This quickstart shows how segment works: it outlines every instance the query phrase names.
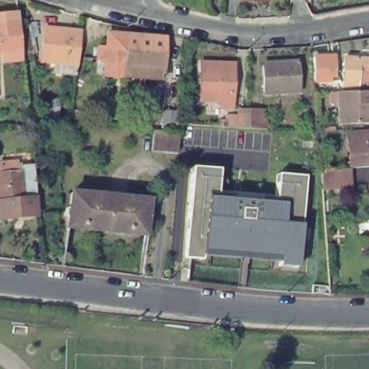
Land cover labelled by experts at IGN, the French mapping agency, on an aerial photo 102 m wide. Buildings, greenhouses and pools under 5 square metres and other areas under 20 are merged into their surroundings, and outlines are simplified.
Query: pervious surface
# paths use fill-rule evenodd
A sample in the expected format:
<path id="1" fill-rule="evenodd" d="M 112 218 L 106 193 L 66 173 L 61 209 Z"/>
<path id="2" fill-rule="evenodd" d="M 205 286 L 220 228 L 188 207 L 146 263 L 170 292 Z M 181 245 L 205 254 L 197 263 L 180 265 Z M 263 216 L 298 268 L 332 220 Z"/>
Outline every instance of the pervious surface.
<path id="1" fill-rule="evenodd" d="M 249 329 L 314 332 L 369 330 L 369 327 L 255 323 L 231 319 L 229 316 L 219 319 L 184 313 L 163 313 L 161 317 L 208 321 L 215 323 L 216 327 L 223 329 L 232 324 Z"/>
<path id="2" fill-rule="evenodd" d="M 35 300 L 36 294 L 0 291 L 0 300 L 37 306 L 66 307 L 74 311 L 78 310 L 78 307 L 86 307 L 89 310 L 111 313 L 157 316 L 153 311 L 144 311 L 140 308 L 107 306 L 89 301 L 78 301 L 75 306 L 72 303 L 55 303 L 52 301 L 53 297 Z"/>
<path id="3" fill-rule="evenodd" d="M 234 62 L 238 71 L 235 107 L 244 108 L 248 91 L 244 84 L 245 75 L 249 74 L 249 55 L 248 50 L 238 50 Z"/>
<path id="4" fill-rule="evenodd" d="M 164 169 L 157 161 L 135 156 L 134 159 L 125 160 L 115 170 L 103 190 L 147 195 L 150 190 L 147 189 L 147 182 L 157 174 Z"/>
<path id="5" fill-rule="evenodd" d="M 258 4 L 246 3 L 246 1 L 245 3 L 241 3 L 238 14 L 241 17 L 236 17 L 238 25 L 284 25 L 290 22 L 290 14 L 293 12 L 291 0 L 270 0 L 259 1 Z"/>
<path id="6" fill-rule="evenodd" d="M 369 7 L 316 14 L 313 20 L 326 20 L 369 12 Z"/>

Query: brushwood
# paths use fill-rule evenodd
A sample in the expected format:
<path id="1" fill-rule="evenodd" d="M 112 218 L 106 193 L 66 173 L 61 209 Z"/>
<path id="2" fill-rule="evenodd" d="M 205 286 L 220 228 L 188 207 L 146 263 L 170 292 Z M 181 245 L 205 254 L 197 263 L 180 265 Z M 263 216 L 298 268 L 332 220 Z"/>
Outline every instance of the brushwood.
<path id="1" fill-rule="evenodd" d="M 248 91 L 255 88 L 257 78 L 255 53 L 249 55 L 249 74 L 245 75 L 244 84 Z"/>
<path id="2" fill-rule="evenodd" d="M 327 99 L 327 95 L 332 92 L 333 86 L 327 86 L 319 85 L 316 86 L 316 97 L 311 99 L 314 114 L 321 111 L 321 99 Z"/>
<path id="3" fill-rule="evenodd" d="M 234 62 L 238 50 L 202 42 L 197 50 L 197 61 Z"/>
<path id="4" fill-rule="evenodd" d="M 330 252 L 330 281 L 330 285 L 333 294 L 340 294 L 343 291 L 342 284 L 340 248 L 336 234 L 329 231 L 327 239 L 327 241 Z"/>
<path id="5" fill-rule="evenodd" d="M 65 321 L 72 319 L 74 311 L 66 307 L 37 306 L 0 300 L 0 310 L 59 317 Z"/>

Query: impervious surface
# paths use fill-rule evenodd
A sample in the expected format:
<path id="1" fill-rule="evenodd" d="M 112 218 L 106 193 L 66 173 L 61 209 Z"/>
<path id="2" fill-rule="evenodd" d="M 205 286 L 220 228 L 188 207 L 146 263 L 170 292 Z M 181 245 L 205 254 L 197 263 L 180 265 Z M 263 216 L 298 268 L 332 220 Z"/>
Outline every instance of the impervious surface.
<path id="1" fill-rule="evenodd" d="M 169 36 L 169 76 L 166 81 L 146 79 L 141 88 L 146 89 L 157 99 L 163 112 L 176 111 L 177 89 L 173 82 L 177 81 L 180 74 L 179 46 L 183 43 L 183 36 L 202 42 L 238 50 L 248 50 L 249 55 L 255 53 L 261 52 L 261 49 L 274 48 L 308 48 L 314 53 L 337 55 L 339 81 L 330 81 L 327 86 L 333 86 L 332 92 L 353 91 L 352 86 L 347 85 L 343 79 L 343 55 L 349 53 L 366 56 L 369 59 L 369 12 L 326 20 L 313 20 L 316 14 L 308 7 L 310 0 L 291 0 L 293 12 L 290 14 L 290 22 L 284 25 L 238 25 L 236 17 L 241 17 L 238 14 L 241 3 L 239 3 L 238 0 L 203 0 L 207 13 L 203 13 L 197 10 L 189 12 L 186 7 L 174 9 L 173 4 L 163 0 L 19 0 L 19 3 L 25 4 L 30 10 L 32 17 L 32 22 L 42 27 L 49 25 L 81 29 L 84 26 L 82 13 L 89 13 L 88 19 L 110 23 L 112 30 L 160 33 Z"/>
<path id="2" fill-rule="evenodd" d="M 140 308 L 144 311 L 153 311 L 157 316 L 161 317 L 163 313 L 184 313 L 219 319 L 229 316 L 231 319 L 255 323 L 369 327 L 369 294 L 340 294 L 333 294 L 330 285 L 311 284 L 310 291 L 304 290 L 304 285 L 298 285 L 295 290 L 246 287 L 249 261 L 248 257 L 239 259 L 239 285 L 190 280 L 192 261 L 183 257 L 187 184 L 183 180 L 174 179 L 167 169 L 164 169 L 157 174 L 172 189 L 166 199 L 159 199 L 154 203 L 154 218 L 151 225 L 153 229 L 150 235 L 144 236 L 143 239 L 140 272 L 121 271 L 95 270 L 85 268 L 84 265 L 74 267 L 66 265 L 66 262 L 45 264 L 32 261 L 26 264 L 20 258 L 0 257 L 0 291 L 36 294 L 35 300 L 53 297 L 52 301 L 55 303 L 72 303 L 75 306 L 78 301 L 89 301 L 107 306 Z"/>
<path id="3" fill-rule="evenodd" d="M 231 170 L 234 176 L 231 192 L 242 192 L 242 170 L 268 170 L 271 137 L 268 134 L 249 134 L 242 131 L 226 133 L 193 130 L 190 124 L 186 137 L 182 138 L 179 141 L 179 156 L 176 156 L 176 159 L 190 170 L 195 164 L 223 166 L 225 170 Z"/>
<path id="4" fill-rule="evenodd" d="M 16 353 L 0 343 L 0 369 L 30 369 Z"/>

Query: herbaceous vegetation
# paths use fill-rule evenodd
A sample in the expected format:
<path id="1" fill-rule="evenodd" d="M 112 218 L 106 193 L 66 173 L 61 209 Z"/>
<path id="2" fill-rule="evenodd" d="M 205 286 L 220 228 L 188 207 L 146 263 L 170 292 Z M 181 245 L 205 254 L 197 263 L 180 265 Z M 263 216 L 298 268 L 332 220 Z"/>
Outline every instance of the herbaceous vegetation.
<path id="1" fill-rule="evenodd" d="M 193 107 L 195 121 L 192 124 L 219 123 L 216 115 L 206 114 L 205 107 L 200 102 Z"/>
<path id="2" fill-rule="evenodd" d="M 33 242 L 40 241 L 37 234 L 37 218 L 22 216 L 16 225 L 9 221 L 0 222 L 0 257 L 20 258 L 23 257 L 25 249 L 33 248 Z"/>
<path id="3" fill-rule="evenodd" d="M 306 164 L 320 153 L 321 143 L 304 141 L 303 138 L 291 133 L 298 120 L 293 105 L 298 99 L 291 95 L 265 98 L 262 95 L 261 68 L 267 65 L 268 61 L 298 59 L 301 62 L 301 97 L 311 99 L 316 97 L 316 86 L 319 85 L 314 81 L 314 53 L 308 48 L 274 48 L 261 49 L 261 52 L 255 53 L 257 78 L 255 88 L 248 91 L 244 108 L 264 110 L 267 104 L 283 105 L 285 115 L 283 124 L 280 124 L 281 130 L 274 131 L 270 125 L 268 128 L 261 128 L 249 124 L 248 128 L 242 131 L 249 134 L 268 134 L 271 137 L 268 170 L 242 170 L 242 192 L 262 193 L 265 197 L 277 190 L 277 173 L 310 174 L 306 245 L 303 262 L 298 265 L 300 270 L 281 270 L 275 259 L 249 261 L 246 287 L 295 290 L 298 285 L 304 285 L 304 290 L 310 291 L 311 284 L 330 285 L 330 281 L 326 280 L 324 259 L 324 244 L 327 241 L 327 239 L 324 239 L 321 219 L 320 180 L 316 182 L 313 170 L 306 167 Z"/>
<path id="4" fill-rule="evenodd" d="M 186 7 L 189 12 L 197 10 L 203 13 L 207 13 L 203 0 L 163 0 L 173 4 L 174 9 Z"/>
<path id="5" fill-rule="evenodd" d="M 0 154 L 3 151 L 7 156 L 16 156 L 16 153 L 23 151 L 30 153 L 33 144 L 27 141 L 23 131 L 22 125 L 25 125 L 26 120 L 22 120 L 19 108 L 29 107 L 32 92 L 39 94 L 40 99 L 48 104 L 53 102 L 56 98 L 61 91 L 62 78 L 53 75 L 52 68 L 46 63 L 30 68 L 30 61 L 27 58 L 23 62 L 6 65 L 0 63 Z"/>
<path id="6" fill-rule="evenodd" d="M 59 174 L 55 186 L 49 187 L 48 183 L 37 186 L 40 210 L 45 213 L 63 213 L 66 206 L 72 208 L 74 203 L 74 199 L 68 197 L 71 193 L 78 192 L 78 189 L 103 190 L 115 170 L 125 160 L 134 159 L 135 156 L 157 161 L 164 169 L 167 169 L 174 159 L 173 156 L 166 156 L 164 150 L 144 148 L 143 141 L 151 143 L 151 137 L 134 133 L 128 135 L 125 131 L 101 128 L 98 133 L 89 137 L 88 131 L 79 124 L 75 112 L 66 108 L 61 110 L 53 111 L 49 111 L 50 120 L 62 120 L 63 123 L 71 124 L 75 134 L 82 138 L 82 143 L 91 140 L 92 146 L 98 146 L 99 141 L 104 140 L 110 144 L 111 161 L 105 176 L 92 176 L 85 166 L 81 166 L 81 160 L 72 160 L 71 151 L 65 151 L 63 156 L 65 166 L 68 166 L 66 173 Z"/>
<path id="7" fill-rule="evenodd" d="M 308 7 L 316 14 L 369 7 L 369 0 L 310 0 Z"/>
<path id="8" fill-rule="evenodd" d="M 30 369 L 369 369 L 369 330 L 314 332 L 249 329 L 232 324 L 223 329 L 234 330 L 244 339 L 241 346 L 234 350 L 229 349 L 228 353 L 221 355 L 209 344 L 212 330 L 216 327 L 215 323 L 208 321 L 161 317 L 157 316 L 111 313 L 89 310 L 86 307 L 78 307 L 78 310 L 74 311 L 72 319 L 65 321 L 59 317 L 0 310 L 0 343 L 16 353 Z"/>
<path id="9" fill-rule="evenodd" d="M 66 265 L 74 267 L 84 265 L 91 265 L 95 261 L 98 257 L 97 249 L 94 246 L 88 251 L 76 248 L 75 234 L 75 229 L 69 232 L 68 252 L 72 255 L 72 262 L 66 262 Z"/>
<path id="10" fill-rule="evenodd" d="M 239 259 L 215 257 L 206 261 L 192 261 L 190 280 L 239 285 Z"/>
<path id="11" fill-rule="evenodd" d="M 131 229 L 128 234 L 121 232 L 105 235 L 105 254 L 114 254 L 114 268 L 121 271 L 140 272 L 143 239 L 138 239 L 137 231 Z"/>
<path id="12" fill-rule="evenodd" d="M 92 95 L 95 101 L 107 105 L 110 118 L 114 117 L 117 110 L 115 79 L 98 75 L 97 58 L 94 55 L 95 48 L 107 43 L 107 35 L 112 30 L 110 23 L 88 19 L 89 13 L 82 13 L 84 26 L 81 29 L 81 62 L 76 75 L 71 75 L 78 82 L 76 105 L 79 107 L 84 104 L 85 99 Z"/>
<path id="13" fill-rule="evenodd" d="M 30 10 L 25 4 L 19 3 L 19 0 L 0 0 L 0 12 L 19 10 L 22 18 L 32 17 Z"/>
<path id="14" fill-rule="evenodd" d="M 369 268 L 369 245 L 360 248 L 349 236 L 337 232 L 336 234 L 340 248 L 342 284 L 347 283 L 347 278 L 360 275 Z"/>

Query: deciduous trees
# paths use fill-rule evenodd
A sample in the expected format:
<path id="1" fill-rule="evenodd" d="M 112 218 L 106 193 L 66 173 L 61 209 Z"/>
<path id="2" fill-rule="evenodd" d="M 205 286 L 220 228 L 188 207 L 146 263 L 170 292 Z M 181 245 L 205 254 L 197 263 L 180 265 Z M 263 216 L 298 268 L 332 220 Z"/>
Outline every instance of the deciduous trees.
<path id="1" fill-rule="evenodd" d="M 76 248 L 88 251 L 94 246 L 97 249 L 98 257 L 95 261 L 91 265 L 84 265 L 85 268 L 95 270 L 121 271 L 114 268 L 114 254 L 105 254 L 105 235 L 102 231 L 75 234 Z"/>
<path id="2" fill-rule="evenodd" d="M 324 200 L 329 200 L 330 215 L 343 210 L 353 213 L 352 223 L 344 223 L 342 228 L 330 225 L 329 231 L 336 234 L 337 232 L 349 236 L 360 248 L 369 245 L 369 179 L 357 180 L 350 186 L 344 186 L 340 193 L 324 193 Z"/>
<path id="3" fill-rule="evenodd" d="M 27 141 L 33 144 L 30 153 L 32 164 L 36 166 L 37 186 L 48 183 L 49 187 L 55 186 L 59 174 L 66 173 L 68 166 L 65 166 L 63 156 L 65 151 L 71 151 L 72 160 L 81 160 L 81 166 L 85 166 L 92 176 L 105 176 L 111 161 L 110 144 L 104 140 L 99 141 L 98 146 L 92 146 L 91 140 L 82 143 L 82 138 L 75 134 L 71 124 L 63 123 L 62 120 L 50 120 L 49 111 L 53 111 L 53 102 L 48 104 L 40 99 L 39 94 L 32 92 L 29 107 L 19 108 L 22 120 L 26 120 L 25 125 L 22 125 L 23 131 Z"/>
<path id="4" fill-rule="evenodd" d="M 229 349 L 234 350 L 241 346 L 244 339 L 234 330 L 223 329 L 216 327 L 212 330 L 209 344 L 221 355 L 228 353 Z"/>
<path id="5" fill-rule="evenodd" d="M 45 213 L 40 210 L 40 216 L 37 218 L 37 234 L 40 241 L 33 242 L 33 248 L 25 249 L 23 257 L 20 258 L 26 264 L 32 261 L 45 264 L 66 262 L 72 262 L 72 255 L 68 252 L 63 252 L 63 213 Z"/>
<path id="6" fill-rule="evenodd" d="M 283 105 L 267 104 L 264 110 L 270 125 L 274 131 L 281 130 L 280 124 L 283 124 L 285 115 Z"/>
<path id="7" fill-rule="evenodd" d="M 166 199 L 172 189 L 157 174 L 147 182 L 147 189 L 150 190 L 147 195 L 151 196 L 154 192 L 159 199 Z"/>
<path id="8" fill-rule="evenodd" d="M 347 278 L 347 283 L 342 284 L 343 291 L 340 294 L 369 294 L 369 268 L 360 275 Z"/>
<path id="9" fill-rule="evenodd" d="M 187 184 L 190 170 L 176 159 L 174 159 L 167 169 L 174 179 L 183 180 Z"/>
<path id="10" fill-rule="evenodd" d="M 88 131 L 89 137 L 98 133 L 101 128 L 125 131 L 128 135 L 134 133 L 151 137 L 154 131 L 160 130 L 169 137 L 176 135 L 182 138 L 186 137 L 190 124 L 192 124 L 195 121 L 193 107 L 200 102 L 197 61 L 197 50 L 202 42 L 183 36 L 183 43 L 179 46 L 180 74 L 177 81 L 173 82 L 177 89 L 176 111 L 177 124 L 166 125 L 160 125 L 163 112 L 157 99 L 146 89 L 141 88 L 146 79 L 115 79 L 117 110 L 114 117 L 110 118 L 107 105 L 95 101 L 92 95 L 85 99 L 84 104 L 79 107 L 76 105 L 78 82 L 71 75 L 62 78 L 61 91 L 56 98 L 61 104 L 61 110 L 66 108 L 75 112 L 79 124 Z"/>
<path id="11" fill-rule="evenodd" d="M 316 182 L 320 180 L 320 173 L 327 167 L 332 167 L 330 161 L 333 159 L 334 150 L 342 150 L 343 141 L 349 137 L 349 133 L 353 133 L 353 125 L 339 125 L 336 118 L 329 118 L 329 114 L 323 114 L 321 111 L 314 114 L 311 99 L 301 97 L 298 99 L 293 105 L 298 120 L 291 133 L 303 138 L 304 141 L 321 143 L 320 153 L 306 164 L 306 167 L 313 170 Z"/>

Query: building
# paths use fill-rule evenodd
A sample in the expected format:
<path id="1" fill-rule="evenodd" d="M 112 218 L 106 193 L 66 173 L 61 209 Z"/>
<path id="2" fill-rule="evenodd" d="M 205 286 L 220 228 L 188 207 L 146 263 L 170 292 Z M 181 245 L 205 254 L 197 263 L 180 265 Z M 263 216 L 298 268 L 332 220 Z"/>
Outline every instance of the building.
<path id="1" fill-rule="evenodd" d="M 327 241 L 324 244 L 324 259 L 326 280 L 330 281 L 330 252 Z"/>
<path id="2" fill-rule="evenodd" d="M 146 79 L 166 81 L 169 76 L 169 36 L 160 33 L 112 30 L 107 35 L 107 43 L 95 48 L 94 55 L 97 58 L 98 75 L 115 79 Z"/>
<path id="3" fill-rule="evenodd" d="M 197 61 L 200 102 L 205 107 L 206 114 L 216 115 L 219 123 L 192 124 L 190 124 L 193 130 L 226 133 L 242 131 L 248 128 L 249 124 L 261 128 L 268 128 L 270 125 L 264 110 L 244 108 L 235 107 L 238 71 L 234 62 Z"/>
<path id="4" fill-rule="evenodd" d="M 53 75 L 62 78 L 71 75 L 76 75 L 81 62 L 81 29 L 49 25 L 42 27 L 32 22 L 32 17 L 22 18 L 19 10 L 0 12 L 0 63 L 6 65 L 23 62 L 27 58 L 30 61 L 30 68 L 46 63 L 52 68 Z"/>
<path id="5" fill-rule="evenodd" d="M 246 3 L 258 4 L 259 1 L 270 0 L 238 0 L 239 3 L 241 3 L 245 3 L 246 1 Z"/>
<path id="6" fill-rule="evenodd" d="M 352 223 L 353 213 L 343 210 L 330 215 L 329 200 L 324 200 L 324 193 L 340 193 L 344 186 L 350 186 L 357 180 L 369 179 L 369 59 L 366 56 L 349 53 L 343 55 L 343 79 L 347 85 L 352 86 L 353 91 L 332 92 L 327 95 L 327 99 L 321 99 L 321 111 L 323 114 L 329 114 L 329 118 L 336 118 L 339 125 L 353 125 L 353 133 L 349 133 L 349 137 L 343 141 L 342 150 L 334 150 L 333 159 L 330 161 L 332 167 L 327 167 L 320 173 L 320 180 L 321 219 L 324 239 L 327 239 L 329 231 L 330 225 L 342 228 L 344 223 Z"/>
<path id="7" fill-rule="evenodd" d="M 261 68 L 262 95 L 265 98 L 291 95 L 298 99 L 301 97 L 301 62 L 298 59 L 268 61 L 267 65 Z"/>
<path id="8" fill-rule="evenodd" d="M 190 170 L 187 184 L 183 257 L 192 261 L 206 261 L 215 257 L 239 259 L 248 257 L 249 261 L 275 259 L 281 270 L 300 270 L 298 265 L 303 262 L 306 245 L 310 174 L 277 173 L 277 190 L 265 197 L 262 193 L 242 192 L 231 192 L 234 176 L 231 170 L 225 170 L 223 166 L 195 164 Z"/>
<path id="9" fill-rule="evenodd" d="M 177 124 L 176 111 L 163 112 L 160 125 L 166 125 Z"/>
<path id="10" fill-rule="evenodd" d="M 53 111 L 61 110 L 61 104 L 56 98 L 53 102 Z"/>
<path id="11" fill-rule="evenodd" d="M 319 85 L 327 86 L 330 81 L 339 81 L 337 55 L 314 53 L 314 81 Z"/>
<path id="12" fill-rule="evenodd" d="M 144 236 L 150 235 L 153 229 L 151 225 L 154 218 L 154 203 L 159 199 L 154 192 L 151 196 L 147 195 L 103 190 L 78 189 L 78 192 L 71 193 L 68 197 L 74 199 L 74 203 L 72 208 L 66 206 L 63 213 L 63 252 L 68 252 L 69 232 L 75 229 L 75 234 L 102 231 L 105 235 L 121 232 L 128 234 L 131 229 L 137 231 L 138 239 L 143 239 Z"/>
<path id="13" fill-rule="evenodd" d="M 16 153 L 16 156 L 7 156 L 3 151 L 0 154 L 0 222 L 9 221 L 16 225 L 22 216 L 37 218 L 40 216 L 40 210 L 37 186 L 36 166 L 32 164 L 30 153 L 23 151 Z"/>
<path id="14" fill-rule="evenodd" d="M 179 141 L 182 138 L 176 135 L 169 137 L 160 130 L 154 131 L 151 137 L 151 143 L 143 141 L 144 148 L 164 150 L 166 156 L 173 156 L 174 159 L 176 159 L 176 156 L 179 156 Z"/>

